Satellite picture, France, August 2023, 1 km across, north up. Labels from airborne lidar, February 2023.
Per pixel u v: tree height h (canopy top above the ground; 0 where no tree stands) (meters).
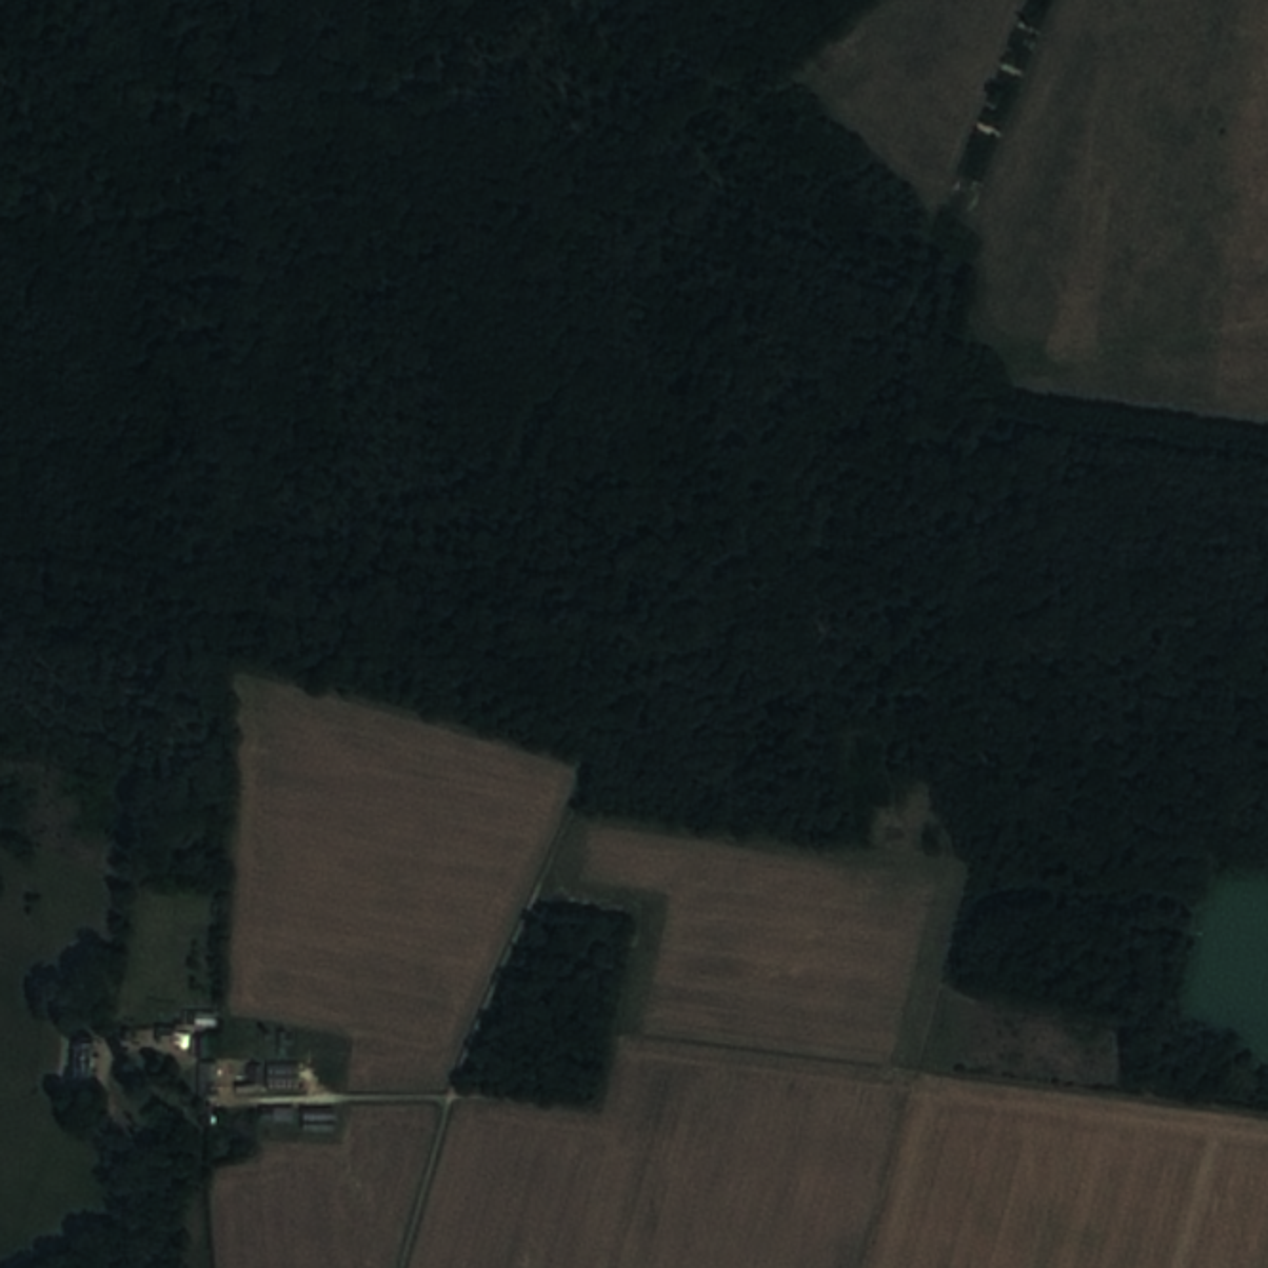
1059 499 18
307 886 0
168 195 23
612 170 18
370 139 19
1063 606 24
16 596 20
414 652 22
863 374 22
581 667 20
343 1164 0
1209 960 0
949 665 20
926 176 0
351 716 0
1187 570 23
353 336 17
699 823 18
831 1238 0
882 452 19
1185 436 11
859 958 0
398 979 0
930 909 0
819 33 17
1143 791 24
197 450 18
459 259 19
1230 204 0
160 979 0
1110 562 21
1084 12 0
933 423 20
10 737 25
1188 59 0
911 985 0
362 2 17
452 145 23
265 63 27
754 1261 0
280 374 26
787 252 13
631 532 20
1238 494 21
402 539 19
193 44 27
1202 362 0
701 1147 0
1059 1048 0
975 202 0
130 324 15
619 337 22
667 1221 0
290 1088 0
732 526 22
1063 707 24
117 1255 25
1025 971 18
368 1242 0
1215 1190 0
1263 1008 0
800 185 13
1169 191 0
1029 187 0
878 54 0
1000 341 0
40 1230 0
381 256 22
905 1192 0
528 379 24
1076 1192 0
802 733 21
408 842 0
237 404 24
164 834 30
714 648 16
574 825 0
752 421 27
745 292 11
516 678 20
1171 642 22
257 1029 0
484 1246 0
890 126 0
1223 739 22
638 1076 0
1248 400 0
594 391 23
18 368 18
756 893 0
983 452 23
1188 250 0
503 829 0
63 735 27
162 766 25
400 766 0
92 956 25
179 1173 20
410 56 16
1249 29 0
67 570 23
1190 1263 0
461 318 25
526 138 26
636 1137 0
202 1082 0
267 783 0
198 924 0
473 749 0
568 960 21
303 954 0
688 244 14
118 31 22
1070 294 0
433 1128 0
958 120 0
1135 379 0
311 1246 0
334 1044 0
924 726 21
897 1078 0
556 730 23
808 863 0
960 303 17
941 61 0
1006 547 23
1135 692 19
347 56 20
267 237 20
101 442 13
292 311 24
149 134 19
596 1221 0
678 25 21
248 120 26
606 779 21
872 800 0
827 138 8
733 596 19
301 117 28
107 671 29
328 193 17
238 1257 0
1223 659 25
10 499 21
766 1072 0
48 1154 0
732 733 17
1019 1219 0
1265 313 0
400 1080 0
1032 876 20
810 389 24
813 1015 0
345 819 0
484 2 12
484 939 0
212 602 29
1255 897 0
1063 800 23
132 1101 30
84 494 15
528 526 21
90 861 0
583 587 20
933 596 29
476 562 17
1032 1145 0
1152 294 0
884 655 24
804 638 19
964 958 18
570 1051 9
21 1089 0
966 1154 0
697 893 0
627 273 11
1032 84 0
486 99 18
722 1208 0
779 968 0
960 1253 0
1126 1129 0
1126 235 0
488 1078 16
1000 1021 0
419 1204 0
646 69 22
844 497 23
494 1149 0
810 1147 0
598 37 20
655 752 16
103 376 16
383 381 17
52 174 22
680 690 18
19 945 0
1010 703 25
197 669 27
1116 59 0
